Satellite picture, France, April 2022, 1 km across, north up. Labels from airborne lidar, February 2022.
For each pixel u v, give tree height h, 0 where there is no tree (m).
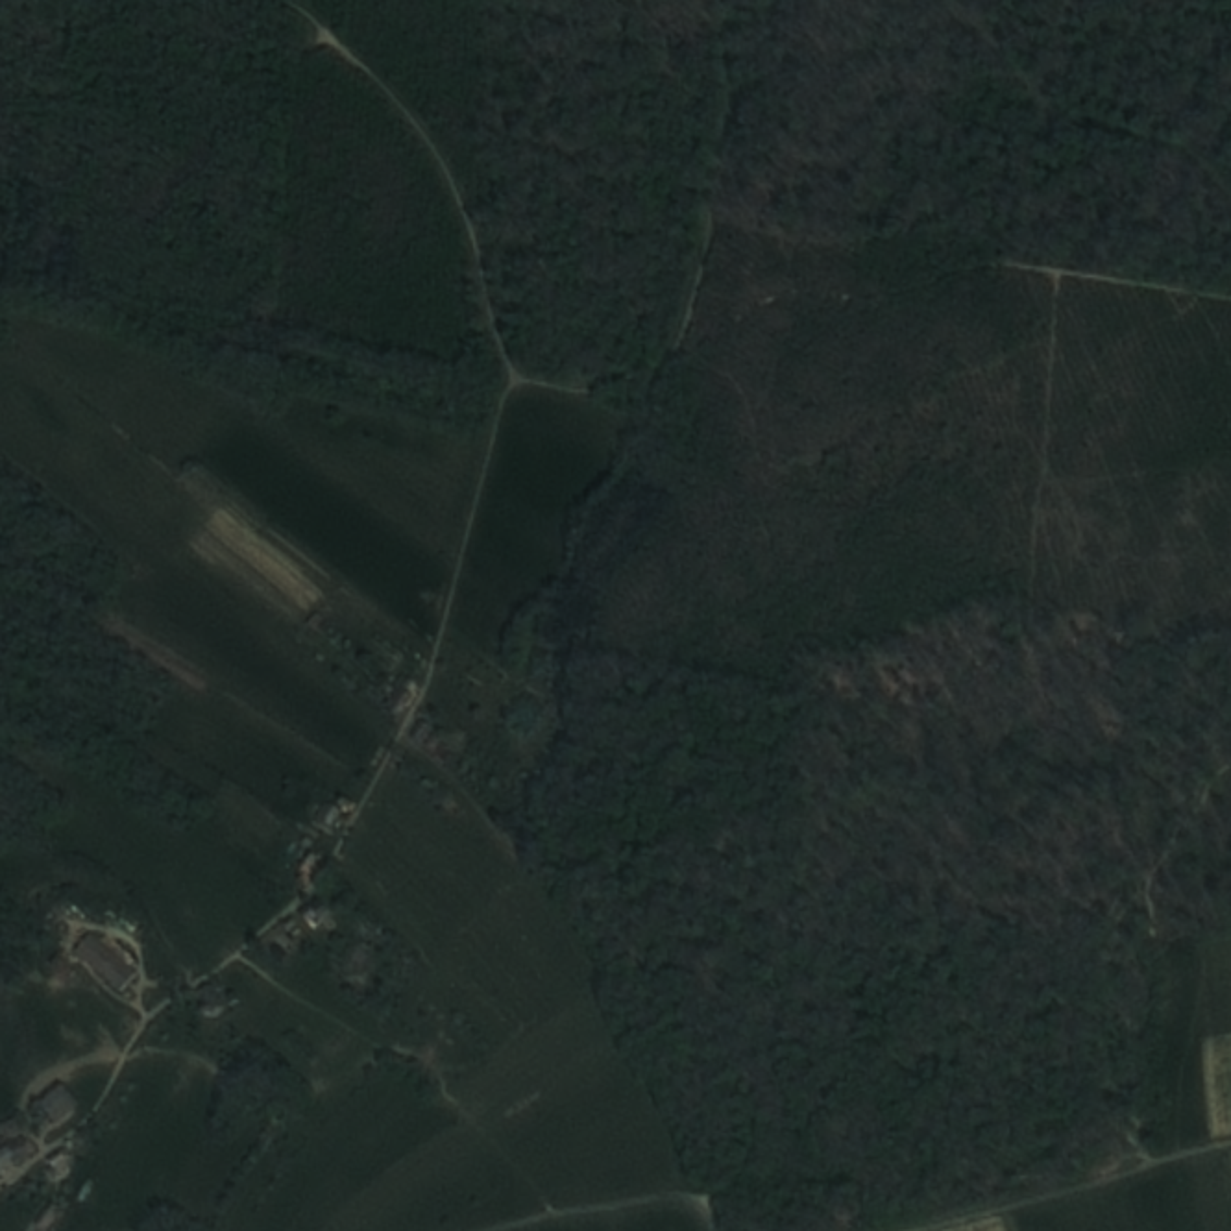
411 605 0
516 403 0
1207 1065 0
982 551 9
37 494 12
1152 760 25
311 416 0
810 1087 25
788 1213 12
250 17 20
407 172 6
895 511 9
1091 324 5
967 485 8
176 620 0
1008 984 29
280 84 12
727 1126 27
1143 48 6
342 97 8
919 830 31
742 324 7
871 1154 24
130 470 0
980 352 8
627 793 26
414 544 0
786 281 9
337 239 10
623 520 21
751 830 31
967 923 27
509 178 22
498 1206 0
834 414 7
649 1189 0
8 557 29
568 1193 0
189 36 18
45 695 27
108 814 0
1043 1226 0
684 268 25
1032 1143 30
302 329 11
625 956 27
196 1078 0
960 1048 29
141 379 0
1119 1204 0
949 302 7
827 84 29
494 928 0
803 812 30
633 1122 0
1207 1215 0
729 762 28
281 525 0
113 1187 0
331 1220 0
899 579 9
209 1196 0
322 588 0
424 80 8
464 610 0
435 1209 0
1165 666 26
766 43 28
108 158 21
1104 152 26
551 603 16
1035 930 29
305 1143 0
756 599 9
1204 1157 0
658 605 10
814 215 27
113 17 19
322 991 0
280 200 19
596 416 0
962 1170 29
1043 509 0
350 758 0
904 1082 26
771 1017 30
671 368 18
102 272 18
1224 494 0
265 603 0
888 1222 20
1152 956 22
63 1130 0
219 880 0
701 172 29
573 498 0
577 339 25
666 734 30
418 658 0
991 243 6
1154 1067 22
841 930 27
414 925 0
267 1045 0
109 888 0
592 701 28
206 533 0
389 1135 0
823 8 25
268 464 0
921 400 7
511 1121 0
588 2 26
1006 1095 24
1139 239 25
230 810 0
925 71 30
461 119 11
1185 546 0
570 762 23
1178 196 23
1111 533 0
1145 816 29
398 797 0
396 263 8
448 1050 0
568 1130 0
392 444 0
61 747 26
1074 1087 20
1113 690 29
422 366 27
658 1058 29
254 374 27
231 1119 16
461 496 0
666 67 19
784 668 9
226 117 17
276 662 0
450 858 0
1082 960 30
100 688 24
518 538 0
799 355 7
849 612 10
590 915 19
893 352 7
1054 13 28
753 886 28
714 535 8
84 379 0
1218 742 31
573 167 26
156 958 0
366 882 0
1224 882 0
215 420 0
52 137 23
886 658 31
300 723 0
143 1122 0
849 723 31
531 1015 0
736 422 8
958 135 29
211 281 17
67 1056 0
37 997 0
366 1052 0
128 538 0
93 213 19
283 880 0
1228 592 0
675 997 24
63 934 0
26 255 23
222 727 0
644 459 20
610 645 7
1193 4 23
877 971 25
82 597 25
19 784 27
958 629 29
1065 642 34
